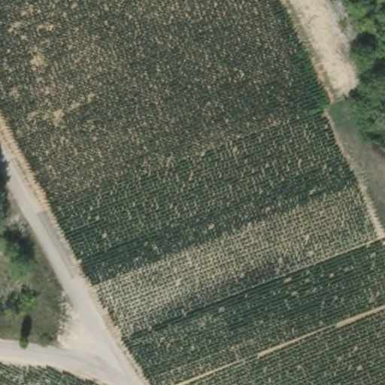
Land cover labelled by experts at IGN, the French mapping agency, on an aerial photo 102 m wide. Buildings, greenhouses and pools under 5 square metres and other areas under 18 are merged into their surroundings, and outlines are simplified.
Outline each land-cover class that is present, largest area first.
<instances>
[{"label":"vineyard","instance_id":"1","mask_svg":"<svg viewBox=\"0 0 385 385\"><path fill-rule=\"evenodd\" d=\"M329 101L328 95L317 80L316 71L311 65L310 53L305 51L302 42H299L292 20L280 0H0V113L11 129L12 137L17 141L21 153L29 162L30 170L44 191L45 199L63 235L68 239L74 256L80 260L84 277L96 287L102 308L108 311L113 325L120 329L123 344L140 365L144 377L149 380V385H385V245L377 238L373 223L367 215L355 174L341 155L331 128L325 129L328 120L323 117V108ZM0 385H99L95 380L80 379L69 371L56 370L54 367H18L0 362Z\"/></svg>","mask_w":385,"mask_h":385},{"label":"pervious surface","instance_id":"2","mask_svg":"<svg viewBox=\"0 0 385 385\"><path fill-rule=\"evenodd\" d=\"M295 6L296 17L301 21L302 29L307 32L311 47L322 57L329 81L335 89L347 95L358 83L355 65L350 63V42L344 38L338 26V18L332 12L329 0H290ZM0 147L3 158L8 162L9 180L6 185L9 202L17 200L27 223L32 227L36 242L44 248L62 284V295L69 296L65 304L68 320L65 322V332L57 335V340L50 346L29 343L27 347H21L20 341L0 338V362L18 367H54L56 370L69 371L80 379L95 380L99 385H149V380L144 377L140 365L123 344L120 329L113 325L108 311L102 308L96 287L84 277L80 260L74 256L68 239L63 235L45 199L44 191L30 170L29 162L21 153L17 141L12 137L11 129L0 113Z\"/></svg>","mask_w":385,"mask_h":385},{"label":"herbaceous vegetation","instance_id":"3","mask_svg":"<svg viewBox=\"0 0 385 385\"><path fill-rule=\"evenodd\" d=\"M292 20L299 42H302L305 51L310 53L311 65L316 71L317 80L328 95L329 101L323 108V117L328 120L325 129L331 128L341 155L355 174L367 215L373 223L377 238L385 245V159L374 152L370 141H361L358 131L353 126L350 111L346 108V102L350 99L347 95L335 89L329 81L322 57L311 47L307 32L302 29L301 21L296 17L295 6L290 0H280ZM332 12L338 18V26L344 38L350 42L356 38L352 26V17L344 11L341 0H329ZM11 217L8 220L11 224H17L18 230L9 229L3 235L6 242L20 245V254L24 256L29 272H32V280L27 281L23 287L36 290L39 295L35 298H21L18 313L12 310L0 311V338L20 341L21 347H27L29 343L50 346L57 340V335L65 332V322L68 320L65 304L69 296L62 295V284L44 248L36 242L32 227L27 223L17 200L9 202Z\"/></svg>","mask_w":385,"mask_h":385},{"label":"brushwood","instance_id":"4","mask_svg":"<svg viewBox=\"0 0 385 385\"><path fill-rule=\"evenodd\" d=\"M361 5L365 6L367 12L352 26L356 38L350 42V60L362 51L368 62L373 65L370 71L385 77V0H362ZM368 123H376V131H358L361 141H370L374 152L385 159V114L377 111L376 114L367 117Z\"/></svg>","mask_w":385,"mask_h":385},{"label":"coniferous trees","instance_id":"5","mask_svg":"<svg viewBox=\"0 0 385 385\"><path fill-rule=\"evenodd\" d=\"M9 180L8 162L3 158L0 147V311L12 310L18 313L21 298H35L39 295L36 290L23 287L27 281L32 280V272H29L24 256L20 254V245L6 242L3 235L9 229L18 230L17 224H11L8 220L11 217L9 202L6 185Z\"/></svg>","mask_w":385,"mask_h":385},{"label":"deciduous trees","instance_id":"6","mask_svg":"<svg viewBox=\"0 0 385 385\"><path fill-rule=\"evenodd\" d=\"M362 0H341L344 11L352 17V26L367 12L365 6L361 5ZM350 63L355 65L358 83L347 95L350 99L346 102V108L350 111L353 126L358 131H376V123H368L367 117L376 114L377 111L385 114V77L370 71L373 65L368 62L362 51L350 60Z\"/></svg>","mask_w":385,"mask_h":385}]
</instances>
